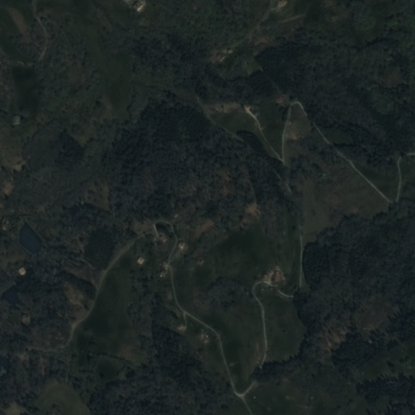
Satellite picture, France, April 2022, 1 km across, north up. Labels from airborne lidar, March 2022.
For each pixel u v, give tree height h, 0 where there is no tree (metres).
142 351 14
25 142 9
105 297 0
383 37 14
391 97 18
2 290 21
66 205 15
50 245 20
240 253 0
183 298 0
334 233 25
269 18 0
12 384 21
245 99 27
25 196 16
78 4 0
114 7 0
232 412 0
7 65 12
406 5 19
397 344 0
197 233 0
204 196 12
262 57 18
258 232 0
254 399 0
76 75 0
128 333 0
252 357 0
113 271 0
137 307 0
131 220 22
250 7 9
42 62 7
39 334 18
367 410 0
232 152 25
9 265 9
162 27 13
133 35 17
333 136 0
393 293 25
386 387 31
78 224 21
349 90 13
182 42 28
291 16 0
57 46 10
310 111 7
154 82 6
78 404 0
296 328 0
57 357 8
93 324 0
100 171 18
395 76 0
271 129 0
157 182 23
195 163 19
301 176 35
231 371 0
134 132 19
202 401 23
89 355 7
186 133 18
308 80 24
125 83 0
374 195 0
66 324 24
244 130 0
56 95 16
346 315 39
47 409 0
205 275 0
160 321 16
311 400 0
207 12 27
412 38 18
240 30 27
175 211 22
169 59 29
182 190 18
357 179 0
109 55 0
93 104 0
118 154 16
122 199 27
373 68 19
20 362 20
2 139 0
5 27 0
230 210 26
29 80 0
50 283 23
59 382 11
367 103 14
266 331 0
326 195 0
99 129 18
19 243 9
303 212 24
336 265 32
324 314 29
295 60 27
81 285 29
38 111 0
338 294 32
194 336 0
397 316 0
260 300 16
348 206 0
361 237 9
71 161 19
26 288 30
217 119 0
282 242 23
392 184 0
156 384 24
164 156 21
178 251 0
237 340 0
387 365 0
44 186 18
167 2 20
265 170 15
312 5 0
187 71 19
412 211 26
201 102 0
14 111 0
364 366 30
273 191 27
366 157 25
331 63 22
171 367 16
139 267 7
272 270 0
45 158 19
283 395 0
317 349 32
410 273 10
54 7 0
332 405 0
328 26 0
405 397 28
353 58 30
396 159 20
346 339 31
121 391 32
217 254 0
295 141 0
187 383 26
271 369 26
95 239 11
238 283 24
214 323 0
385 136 19
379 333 0
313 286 19
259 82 26
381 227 8
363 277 15
